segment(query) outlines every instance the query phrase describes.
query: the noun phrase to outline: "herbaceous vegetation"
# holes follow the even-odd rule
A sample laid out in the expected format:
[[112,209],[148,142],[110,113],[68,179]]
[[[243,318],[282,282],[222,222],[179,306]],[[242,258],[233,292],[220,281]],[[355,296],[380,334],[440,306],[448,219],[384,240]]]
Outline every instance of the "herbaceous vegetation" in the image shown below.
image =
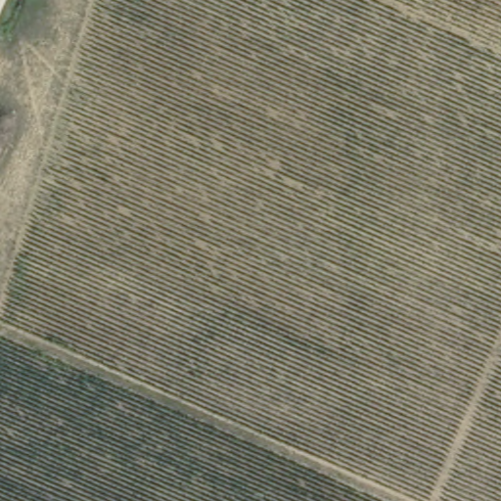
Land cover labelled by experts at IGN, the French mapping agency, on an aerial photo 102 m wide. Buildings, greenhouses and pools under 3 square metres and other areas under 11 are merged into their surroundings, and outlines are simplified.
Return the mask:
[[53,176],[43,174],[43,168],[49,164],[70,166],[63,153],[67,149],[68,133],[78,131],[78,127],[74,123],[63,121],[61,114],[67,108],[68,88],[76,88],[76,82],[80,80],[76,68],[80,63],[80,47],[88,45],[86,33],[92,25],[96,0],[0,0],[0,296],[4,299],[10,297],[10,282],[14,276],[16,258],[23,250],[25,233],[31,225],[31,211],[35,207],[37,192],[43,182],[55,184]]

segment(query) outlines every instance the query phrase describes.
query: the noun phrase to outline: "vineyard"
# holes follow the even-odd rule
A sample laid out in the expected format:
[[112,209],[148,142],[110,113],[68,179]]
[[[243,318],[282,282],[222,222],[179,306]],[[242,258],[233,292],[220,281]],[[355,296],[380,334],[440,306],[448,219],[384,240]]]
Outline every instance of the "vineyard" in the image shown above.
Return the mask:
[[80,47],[80,63],[76,68],[80,80],[76,82],[76,88],[68,88],[67,108],[61,114],[63,121],[74,123],[78,127],[78,131],[68,133],[67,149],[63,153],[70,166],[49,164],[43,168],[43,174],[53,176],[55,184],[43,182],[37,192],[35,207],[31,211],[31,225],[25,233],[23,250],[16,258],[14,276],[10,282],[10,297],[4,299],[0,296],[0,501],[501,501],[501,0],[96,0],[92,25],[86,33],[88,45]]

